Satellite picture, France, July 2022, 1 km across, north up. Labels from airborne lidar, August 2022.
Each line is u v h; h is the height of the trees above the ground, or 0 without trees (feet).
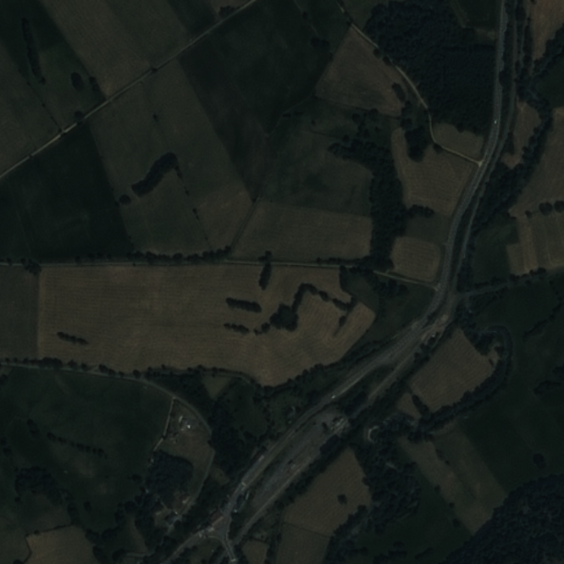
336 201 0
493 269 0
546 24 0
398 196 49
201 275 0
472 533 0
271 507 0
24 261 37
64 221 0
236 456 57
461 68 69
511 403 0
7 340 0
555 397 0
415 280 0
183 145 0
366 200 0
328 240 0
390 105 0
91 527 0
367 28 27
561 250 0
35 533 22
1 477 0
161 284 0
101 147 0
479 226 39
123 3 0
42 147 0
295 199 0
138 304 0
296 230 0
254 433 0
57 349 0
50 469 0
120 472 0
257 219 0
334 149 32
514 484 0
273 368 0
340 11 0
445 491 0
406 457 0
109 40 0
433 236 0
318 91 0
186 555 34
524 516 87
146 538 36
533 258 0
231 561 0
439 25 71
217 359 0
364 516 40
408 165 0
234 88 0
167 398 0
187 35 0
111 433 0
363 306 0
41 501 0
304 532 0
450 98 62
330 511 0
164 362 0
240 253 0
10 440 0
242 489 0
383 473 20
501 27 0
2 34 0
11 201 0
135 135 0
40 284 0
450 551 0
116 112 0
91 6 0
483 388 54
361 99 0
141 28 0
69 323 0
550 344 0
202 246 0
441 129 0
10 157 0
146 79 0
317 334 0
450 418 42
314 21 0
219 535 0
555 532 32
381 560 56
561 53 39
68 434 0
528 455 0
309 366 0
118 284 0
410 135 61
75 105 0
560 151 0
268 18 0
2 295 0
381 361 0
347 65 0
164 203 0
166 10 0
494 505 0
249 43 0
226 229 0
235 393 0
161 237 0
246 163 0
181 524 44
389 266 52
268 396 36
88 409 0
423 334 0
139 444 0
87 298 0
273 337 0
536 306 0
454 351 0
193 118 0
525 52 45
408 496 50
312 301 0
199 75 0
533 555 70
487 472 0
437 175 0
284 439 0
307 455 0
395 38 69
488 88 65
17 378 0
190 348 0
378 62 0
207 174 0
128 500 0
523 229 0
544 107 45
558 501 70
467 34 43
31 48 58
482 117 24
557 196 0
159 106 0
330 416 0
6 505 0
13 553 0
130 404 0
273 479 0
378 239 35
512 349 0
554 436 0
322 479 0
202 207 0
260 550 0
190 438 0
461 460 0
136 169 0
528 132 0
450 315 0
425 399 0
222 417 86
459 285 37
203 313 0
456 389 0
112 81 0
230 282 0
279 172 0
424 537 0
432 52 18
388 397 28
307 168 0
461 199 0
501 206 43
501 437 0
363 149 59
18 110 0
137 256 43
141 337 0
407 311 0
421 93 19
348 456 0
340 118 0
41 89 0
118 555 50
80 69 0
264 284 45
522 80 46
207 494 27
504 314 0
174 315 0
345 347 0
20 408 0
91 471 0
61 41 0
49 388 0
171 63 0
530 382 0
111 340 0
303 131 0
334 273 0
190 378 45
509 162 0
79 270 0
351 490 0
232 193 0
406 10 99
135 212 0
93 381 0
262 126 0
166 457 58
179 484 66
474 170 0
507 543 79
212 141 0
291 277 0
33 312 0
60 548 0
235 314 0
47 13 0
